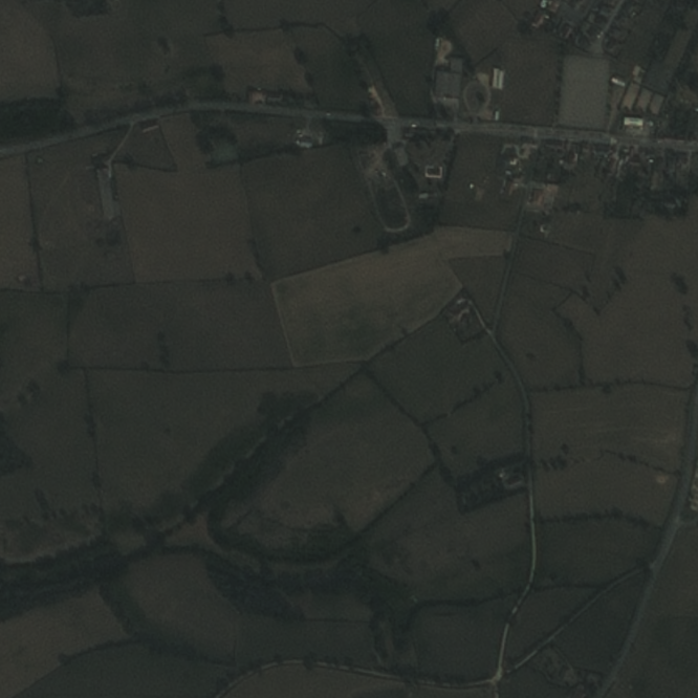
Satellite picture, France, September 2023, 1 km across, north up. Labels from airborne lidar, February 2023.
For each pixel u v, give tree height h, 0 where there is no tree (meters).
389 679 0
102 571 21
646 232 0
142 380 0
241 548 6
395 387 0
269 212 0
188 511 16
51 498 0
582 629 0
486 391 12
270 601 24
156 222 0
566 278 0
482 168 0
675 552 0
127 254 0
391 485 0
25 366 0
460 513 8
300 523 0
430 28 7
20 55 0
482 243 0
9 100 0
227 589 6
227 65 0
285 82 0
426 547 0
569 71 0
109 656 0
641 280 0
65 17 0
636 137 0
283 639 0
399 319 0
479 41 0
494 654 0
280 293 0
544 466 12
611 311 0
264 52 0
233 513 0
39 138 0
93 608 0
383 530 0
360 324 0
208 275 0
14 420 0
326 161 0
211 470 0
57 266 0
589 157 0
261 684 0
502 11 0
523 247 0
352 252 0
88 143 0
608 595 0
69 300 0
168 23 0
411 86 0
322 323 0
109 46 0
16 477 0
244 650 0
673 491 0
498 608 0
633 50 0
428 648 0
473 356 0
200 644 0
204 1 0
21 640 0
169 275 0
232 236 0
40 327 0
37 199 0
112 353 0
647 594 0
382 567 0
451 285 0
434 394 0
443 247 0
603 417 0
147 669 0
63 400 0
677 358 0
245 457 0
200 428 0
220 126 0
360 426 0
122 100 0
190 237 0
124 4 0
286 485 0
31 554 0
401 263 0
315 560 8
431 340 0
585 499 0
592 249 0
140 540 0
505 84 0
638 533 0
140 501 0
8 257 0
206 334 0
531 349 0
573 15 0
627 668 0
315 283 0
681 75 8
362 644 0
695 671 0
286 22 6
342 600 0
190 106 0
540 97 0
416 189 13
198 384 0
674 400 0
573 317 0
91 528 0
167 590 0
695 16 0
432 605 6
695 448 0
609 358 0
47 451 0
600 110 0
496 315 0
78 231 0
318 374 0
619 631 0
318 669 0
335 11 0
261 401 0
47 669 0
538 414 0
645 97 0
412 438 0
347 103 0
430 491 0
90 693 0
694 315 0
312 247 0
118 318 0
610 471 0
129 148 0
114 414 0
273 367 0
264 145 0
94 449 0
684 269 0
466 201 0
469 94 0
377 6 0
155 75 0
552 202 0
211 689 0
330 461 0
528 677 0
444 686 0
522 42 0
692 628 0
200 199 0
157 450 0
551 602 0
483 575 0
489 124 0
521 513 0
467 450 0
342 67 0
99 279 0
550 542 0
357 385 0
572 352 0
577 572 0
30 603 7
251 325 0
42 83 0
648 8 0
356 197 0
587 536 0
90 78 0
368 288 0
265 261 0
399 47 0
